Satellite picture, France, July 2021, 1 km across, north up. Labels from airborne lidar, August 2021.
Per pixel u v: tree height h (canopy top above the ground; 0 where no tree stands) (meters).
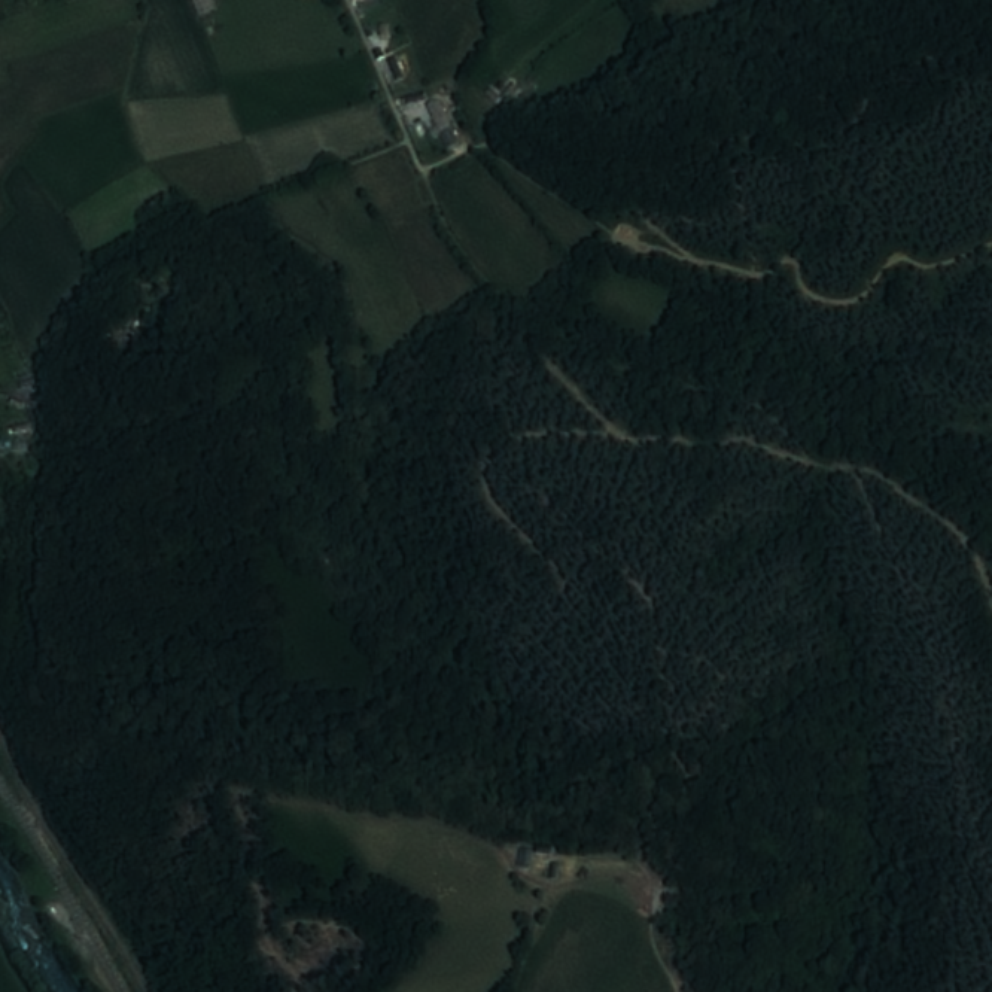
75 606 15
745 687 19
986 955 21
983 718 23
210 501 24
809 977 11
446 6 0
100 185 0
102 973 0
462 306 13
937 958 24
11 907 0
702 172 18
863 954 9
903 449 28
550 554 22
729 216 16
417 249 0
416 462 16
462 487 20
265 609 20
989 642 22
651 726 23
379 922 18
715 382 32
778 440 16
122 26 0
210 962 26
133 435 18
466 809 22
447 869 0
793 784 16
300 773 21
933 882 22
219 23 0
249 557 17
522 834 18
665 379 22
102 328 27
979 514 16
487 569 24
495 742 24
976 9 24
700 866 17
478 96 0
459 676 30
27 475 8
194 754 20
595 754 23
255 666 24
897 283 26
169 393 22
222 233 22
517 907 0
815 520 22
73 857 12
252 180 0
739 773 24
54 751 18
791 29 23
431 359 21
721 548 23
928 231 19
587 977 0
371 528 19
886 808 21
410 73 0
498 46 0
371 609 16
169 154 0
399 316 0
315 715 27
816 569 23
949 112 19
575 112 28
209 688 22
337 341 25
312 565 9
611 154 17
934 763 21
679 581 15
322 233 0
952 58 24
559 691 19
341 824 0
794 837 13
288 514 17
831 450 26
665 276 22
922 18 22
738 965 9
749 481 15
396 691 14
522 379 20
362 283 0
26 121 0
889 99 22
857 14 33
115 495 22
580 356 22
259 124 0
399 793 20
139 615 21
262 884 6
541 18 0
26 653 8
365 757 21
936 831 16
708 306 27
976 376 17
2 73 0
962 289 9
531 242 0
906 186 15
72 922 0
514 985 8
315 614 0
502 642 21
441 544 20
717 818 24
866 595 17
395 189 0
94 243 0
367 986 10
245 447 15
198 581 6
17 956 14
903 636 16
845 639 10
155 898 26
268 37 0
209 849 18
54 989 0
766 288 18
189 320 16
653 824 19
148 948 17
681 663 18
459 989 0
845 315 18
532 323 22
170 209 12
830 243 25
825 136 18
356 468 8
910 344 22
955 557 19
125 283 25
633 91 25
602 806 25
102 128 0
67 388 21
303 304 16
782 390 28
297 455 23
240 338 21
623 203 22
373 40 0
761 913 27
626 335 19
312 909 23
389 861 0
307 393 29
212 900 24
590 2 0
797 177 24
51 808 17
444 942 0
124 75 0
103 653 29
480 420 24
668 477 18
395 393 25
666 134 20
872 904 27
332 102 0
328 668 0
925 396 20
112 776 23
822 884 23
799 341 20
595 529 16
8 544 9
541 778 22
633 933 0
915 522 18
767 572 19
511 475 16
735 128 21
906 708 24
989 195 19
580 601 17
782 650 16
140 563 14
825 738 6
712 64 25
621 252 26
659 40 13
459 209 0
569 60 0
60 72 0
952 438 17
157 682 27
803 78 22
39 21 0
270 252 26
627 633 18
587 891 0
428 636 23
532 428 16
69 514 23
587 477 21
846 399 25
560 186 19
